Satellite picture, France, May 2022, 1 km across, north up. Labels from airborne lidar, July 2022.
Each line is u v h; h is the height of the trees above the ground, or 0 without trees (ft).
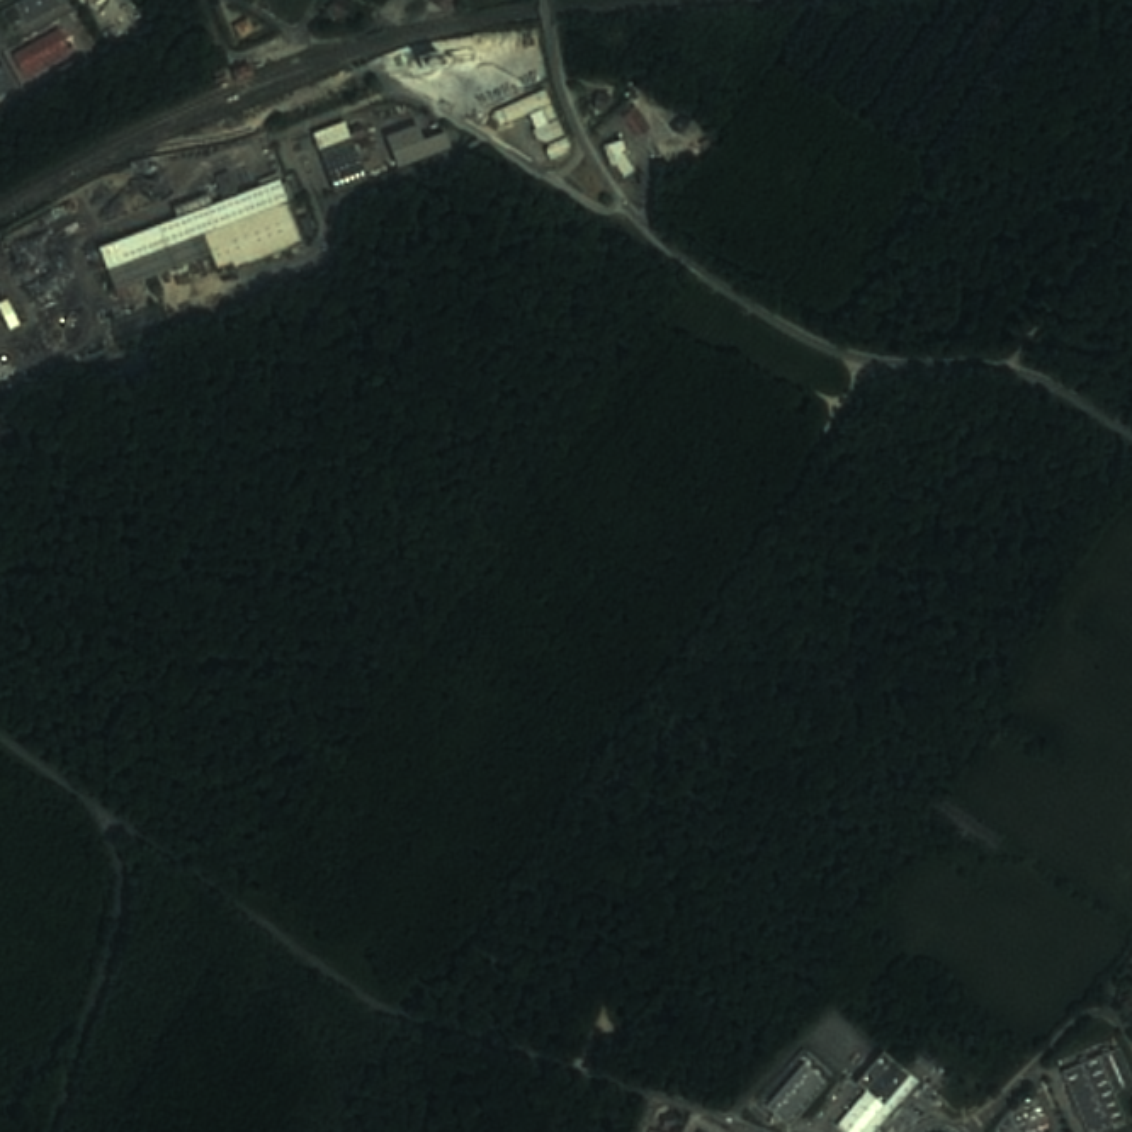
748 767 69
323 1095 61
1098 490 74
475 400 72
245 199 0
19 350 0
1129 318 80
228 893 55
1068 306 73
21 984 21
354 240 82
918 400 70
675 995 83
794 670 91
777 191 23
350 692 87
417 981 25
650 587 43
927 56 61
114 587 76
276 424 61
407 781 50
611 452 33
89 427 87
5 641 61
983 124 75
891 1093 0
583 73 45
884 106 75
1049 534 84
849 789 79
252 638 77
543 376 78
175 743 75
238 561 77
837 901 68
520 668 51
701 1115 0
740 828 77
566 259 79
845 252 27
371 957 41
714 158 31
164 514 76
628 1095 27
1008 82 80
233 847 69
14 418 79
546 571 42
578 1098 70
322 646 77
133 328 0
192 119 0
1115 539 0
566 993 83
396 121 0
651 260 71
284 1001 60
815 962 76
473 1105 94
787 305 29
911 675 97
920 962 33
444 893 45
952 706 74
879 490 68
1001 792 0
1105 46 81
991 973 0
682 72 73
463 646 45
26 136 80
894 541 71
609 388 40
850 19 69
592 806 87
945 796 47
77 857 24
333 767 66
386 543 79
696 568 47
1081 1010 22
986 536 24
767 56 43
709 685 89
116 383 87
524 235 77
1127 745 0
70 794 28
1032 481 77
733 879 73
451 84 0
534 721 47
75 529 79
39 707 71
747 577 73
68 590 74
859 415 71
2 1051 21
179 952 55
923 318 80
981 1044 49
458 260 86
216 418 83
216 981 69
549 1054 78
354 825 41
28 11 0
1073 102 80
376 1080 81
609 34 53
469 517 80
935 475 86
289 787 60
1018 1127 0
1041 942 0
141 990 44
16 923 25
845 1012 21
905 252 79
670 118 0
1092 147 70
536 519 35
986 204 82
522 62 0
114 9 0
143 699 76
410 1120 84
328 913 38
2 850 21
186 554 58
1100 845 0
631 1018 65
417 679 50
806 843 69
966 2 50
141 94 48
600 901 65
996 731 56
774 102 25
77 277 0
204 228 0
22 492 80
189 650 74
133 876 57
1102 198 77
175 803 74
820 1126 0
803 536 81
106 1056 52
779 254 39
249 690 77
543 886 83
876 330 73
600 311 76
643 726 78
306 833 61
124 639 72
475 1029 70
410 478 74
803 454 52
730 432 49
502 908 64
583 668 47
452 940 52
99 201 0
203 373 77
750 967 91
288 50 0
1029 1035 0
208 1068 57
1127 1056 0
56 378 77
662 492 44
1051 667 0
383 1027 58
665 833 92
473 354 87
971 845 19
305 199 25
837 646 79
